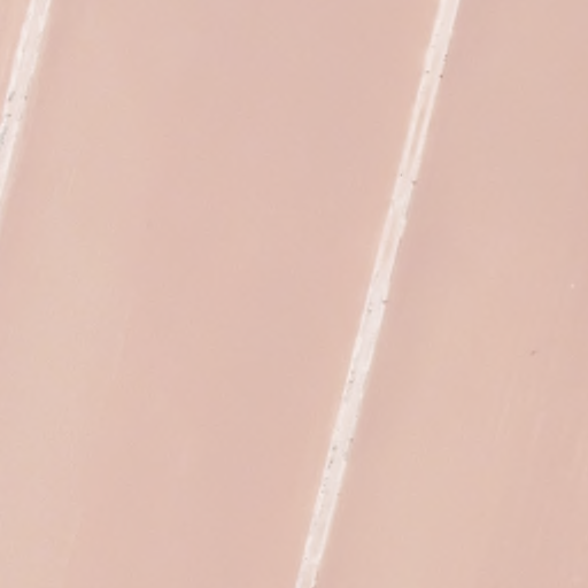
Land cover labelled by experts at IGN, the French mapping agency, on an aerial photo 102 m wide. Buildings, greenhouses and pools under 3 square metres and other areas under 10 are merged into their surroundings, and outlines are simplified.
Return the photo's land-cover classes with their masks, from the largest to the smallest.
<instances>
[{"label":"water","instance_id":"1","mask_svg":"<svg viewBox=\"0 0 588 588\"><path fill-rule=\"evenodd\" d=\"M30 0H0V113ZM439 0H51L46 28L39 44L37 69L25 92L21 129L16 136L5 195L0 202V588H294L303 556V542L310 528L319 478L324 471L328 439L340 407L349 356L358 333L365 294L370 287L381 225L390 204L416 90L423 76V60L432 37ZM315 588H588V0H459L443 71L439 78V90L434 99V110L427 129L418 177L413 181L411 200L407 204L404 234L397 246L395 266L384 301V319L377 333L372 363L365 377L356 427L349 439L347 466L338 492L326 549L317 570Z\"/></svg>","mask_w":588,"mask_h":588},{"label":"pervious surface","instance_id":"2","mask_svg":"<svg viewBox=\"0 0 588 588\"><path fill-rule=\"evenodd\" d=\"M51 0H30L0 113V202L5 195L16 136L21 129L25 92L37 69L39 44L46 28ZM459 0H439L432 37L423 60V76L416 90L390 204L381 225L370 287L365 294L358 333L349 356L340 407L328 439L324 471L319 478L310 528L303 542V556L294 588H315L317 570L326 549L338 492L347 466L349 439L356 427L365 377L372 363L377 333L384 319V301L395 266L397 246L404 234L407 204L411 200L413 181L418 177L427 129L434 110V99L439 90V78L443 71Z\"/></svg>","mask_w":588,"mask_h":588}]
</instances>
